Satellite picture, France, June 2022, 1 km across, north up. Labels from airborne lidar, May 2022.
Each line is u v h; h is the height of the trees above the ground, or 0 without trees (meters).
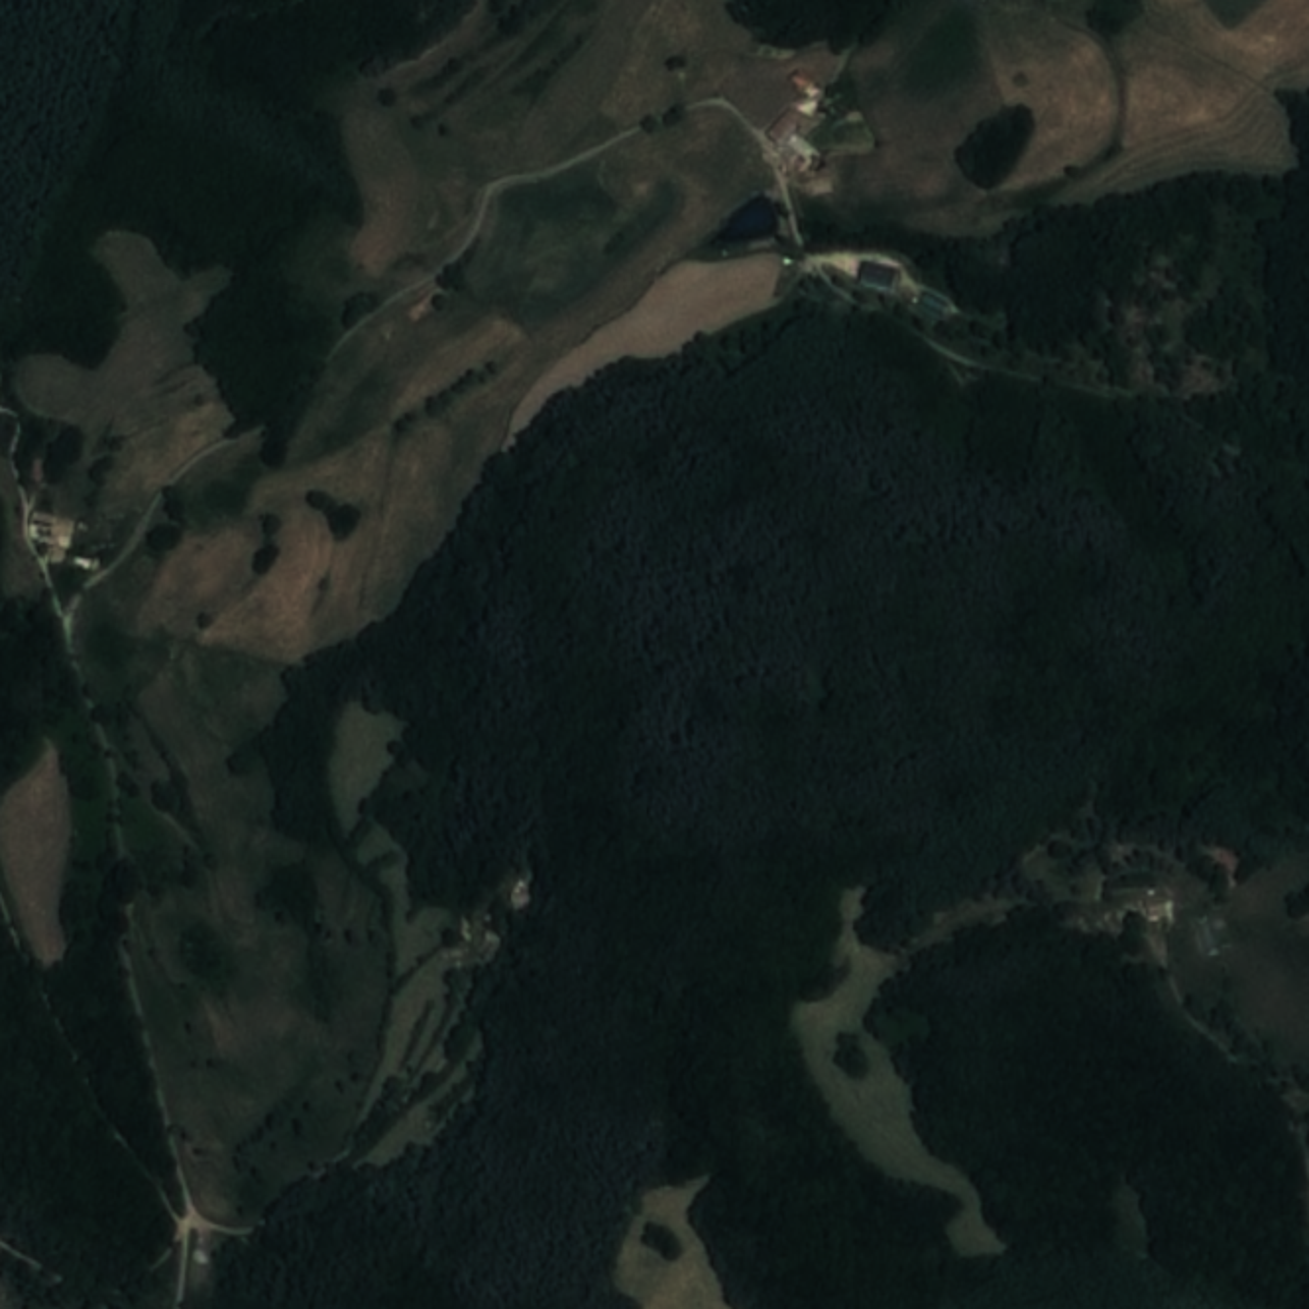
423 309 0
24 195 32
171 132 19
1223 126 0
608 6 0
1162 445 26
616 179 0
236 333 15
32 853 0
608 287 0
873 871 18
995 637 20
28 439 9
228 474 0
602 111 0
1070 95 0
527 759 25
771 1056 20
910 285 0
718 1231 10
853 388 18
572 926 17
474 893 9
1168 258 7
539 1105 18
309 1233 12
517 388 0
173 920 0
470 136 0
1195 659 19
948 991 17
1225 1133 18
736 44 0
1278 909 0
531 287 0
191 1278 0
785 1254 14
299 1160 0
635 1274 0
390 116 0
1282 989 0
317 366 16
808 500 21
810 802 23
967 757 21
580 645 20
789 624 19
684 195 0
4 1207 13
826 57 0
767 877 19
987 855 20
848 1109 0
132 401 0
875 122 0
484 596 21
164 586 0
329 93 0
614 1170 14
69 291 10
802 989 16
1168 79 0
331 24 12
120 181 15
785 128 0
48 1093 13
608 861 18
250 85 19
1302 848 19
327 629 0
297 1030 0
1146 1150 15
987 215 0
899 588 19
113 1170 11
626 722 14
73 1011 12
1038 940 7
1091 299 20
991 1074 15
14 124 30
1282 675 25
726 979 19
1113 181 0
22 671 7
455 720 17
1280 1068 11
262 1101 0
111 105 13
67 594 0
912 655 20
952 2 0
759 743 18
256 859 0
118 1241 9
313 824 13
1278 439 10
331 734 12
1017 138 11
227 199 14
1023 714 15
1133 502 11
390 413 0
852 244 10
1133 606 20
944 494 22
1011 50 0
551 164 0
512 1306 14
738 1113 15
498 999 14
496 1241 13
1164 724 16
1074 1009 15
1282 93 9
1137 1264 18
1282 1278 19
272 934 0
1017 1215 14
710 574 15
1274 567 22
